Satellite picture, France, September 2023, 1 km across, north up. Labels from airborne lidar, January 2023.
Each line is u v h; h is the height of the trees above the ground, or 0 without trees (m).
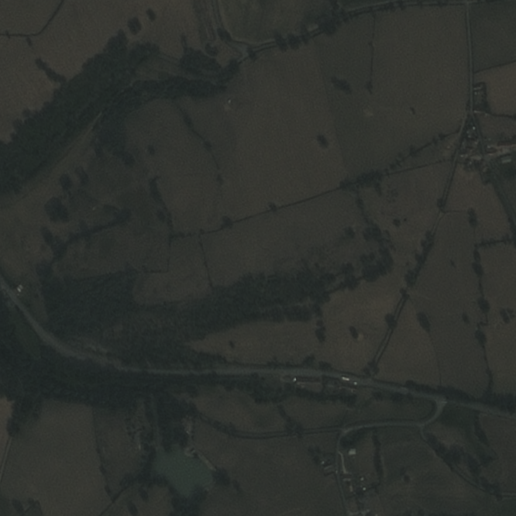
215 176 0
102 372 21
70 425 0
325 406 0
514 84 0
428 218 0
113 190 0
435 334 0
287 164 0
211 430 0
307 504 0
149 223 0
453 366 0
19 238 0
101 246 0
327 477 0
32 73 0
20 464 0
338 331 0
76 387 0
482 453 0
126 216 17
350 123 0
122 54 14
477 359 0
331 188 0
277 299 16
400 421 0
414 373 0
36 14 0
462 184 0
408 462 0
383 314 0
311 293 17
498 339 0
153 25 0
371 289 0
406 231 0
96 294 10
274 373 0
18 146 12
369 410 0
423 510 0
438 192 0
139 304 9
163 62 0
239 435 0
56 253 18
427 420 0
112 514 0
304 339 0
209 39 0
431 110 0
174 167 0
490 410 0
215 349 0
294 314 19
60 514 0
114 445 0
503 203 0
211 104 0
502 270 0
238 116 0
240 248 0
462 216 0
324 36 0
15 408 17
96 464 0
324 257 0
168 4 0
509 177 0
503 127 0
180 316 9
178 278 0
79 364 14
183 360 12
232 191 0
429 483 0
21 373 20
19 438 0
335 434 0
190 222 0
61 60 0
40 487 0
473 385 0
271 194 0
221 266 0
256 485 0
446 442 0
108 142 17
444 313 0
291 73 0
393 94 0
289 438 0
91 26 0
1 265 0
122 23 0
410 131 0
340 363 0
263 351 0
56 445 0
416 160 0
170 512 0
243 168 0
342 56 0
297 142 0
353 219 0
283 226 0
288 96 0
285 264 0
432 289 0
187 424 0
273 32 0
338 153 0
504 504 0
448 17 0
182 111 0
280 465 0
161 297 0
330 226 0
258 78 0
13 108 0
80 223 0
